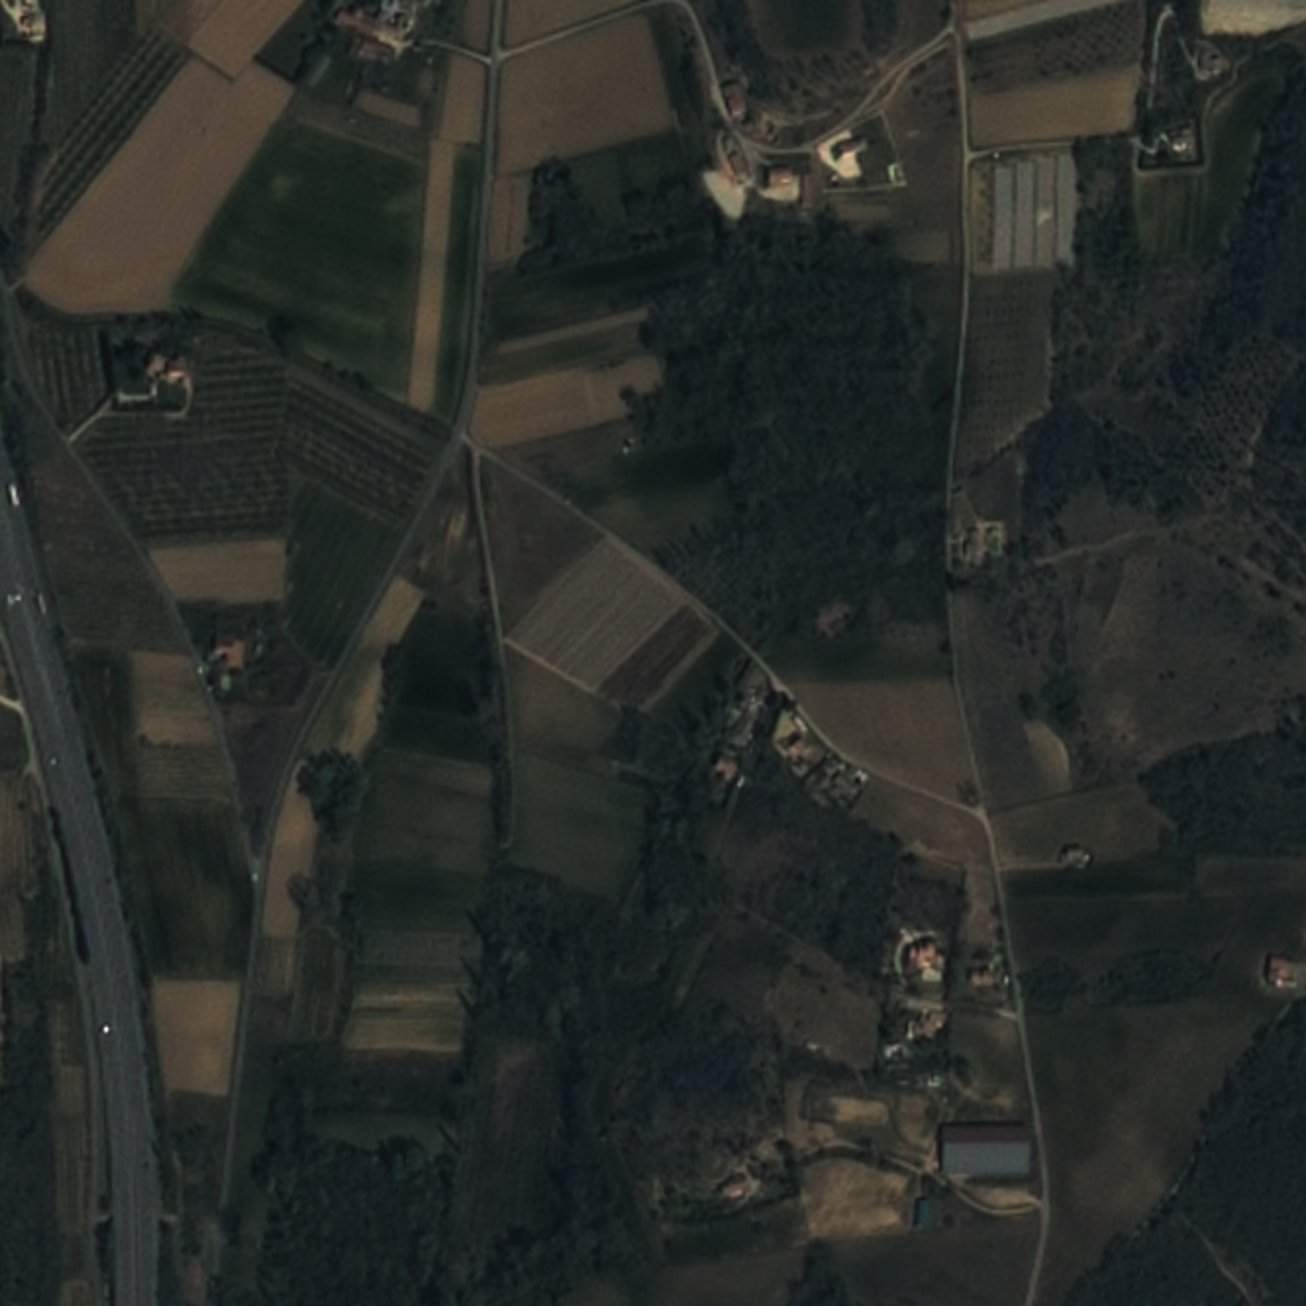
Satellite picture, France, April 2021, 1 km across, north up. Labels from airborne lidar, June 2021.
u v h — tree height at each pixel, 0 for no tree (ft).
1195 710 0
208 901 0
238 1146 0
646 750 89
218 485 31
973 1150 0
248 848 0
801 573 30
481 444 0
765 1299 0
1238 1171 25
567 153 0
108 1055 0
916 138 0
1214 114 0
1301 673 0
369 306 0
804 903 25
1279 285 40
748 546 90
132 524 20
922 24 0
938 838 0
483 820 0
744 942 0
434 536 0
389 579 0
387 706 32
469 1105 21
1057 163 0
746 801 0
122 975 0
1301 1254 26
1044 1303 0
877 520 80
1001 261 0
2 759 21
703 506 0
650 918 60
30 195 44
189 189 0
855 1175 0
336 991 0
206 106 0
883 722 0
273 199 0
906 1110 0
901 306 79
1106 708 0
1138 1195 0
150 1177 0
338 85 0
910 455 27
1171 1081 0
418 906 0
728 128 43
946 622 32
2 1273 46
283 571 0
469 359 0
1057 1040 0
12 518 0
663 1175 36
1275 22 0
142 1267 0
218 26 0
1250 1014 0
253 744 0
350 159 0
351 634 0
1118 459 33
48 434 0
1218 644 0
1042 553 19
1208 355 24
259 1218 0
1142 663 0
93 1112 0
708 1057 42
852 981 35
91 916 0
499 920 58
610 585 0
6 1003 43
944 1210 0
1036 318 0
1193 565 0
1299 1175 33
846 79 27
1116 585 0
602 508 0
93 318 0
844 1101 0
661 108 0
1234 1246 19
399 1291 45
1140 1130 0
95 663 0
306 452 30
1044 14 0
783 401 61
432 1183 57
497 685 61
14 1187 35
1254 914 0
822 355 62
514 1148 20
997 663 0
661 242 44
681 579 78
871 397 75
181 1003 0
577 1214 93
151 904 0
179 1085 0
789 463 55
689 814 59
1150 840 0
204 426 22
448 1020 0
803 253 24
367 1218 79
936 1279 0
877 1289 0
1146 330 20
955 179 0
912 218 0
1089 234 23
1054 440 33
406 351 0
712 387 54
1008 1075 0
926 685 0
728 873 0
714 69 0
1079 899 0
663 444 23
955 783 0
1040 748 0
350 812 68
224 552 0
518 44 0
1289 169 52
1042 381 0
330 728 0
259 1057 0
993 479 0
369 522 0
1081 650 0
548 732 0
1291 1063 52
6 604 0
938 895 40
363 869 0
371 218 0
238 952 0
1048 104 0
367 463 29
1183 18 40
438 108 0
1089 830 0
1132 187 22
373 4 35
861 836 38
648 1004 32
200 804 0
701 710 0
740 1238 0
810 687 0
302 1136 38
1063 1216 0
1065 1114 0
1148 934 0
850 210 0
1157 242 0
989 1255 0
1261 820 29
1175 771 45
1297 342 41
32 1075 44
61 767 0
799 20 0
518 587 0
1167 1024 0
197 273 0
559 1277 56
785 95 19
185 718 0
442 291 0
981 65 20
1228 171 0
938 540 49
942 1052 29
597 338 0
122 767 0
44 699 0
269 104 0
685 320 65
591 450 0
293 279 0
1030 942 0
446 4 35
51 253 0
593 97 0
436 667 0
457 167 0
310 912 92
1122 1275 26
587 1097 69
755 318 67
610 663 0
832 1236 0
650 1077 31
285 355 67
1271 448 24
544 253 17
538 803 0
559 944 50
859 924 27
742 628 89
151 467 31
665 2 0
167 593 0
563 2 0
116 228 0
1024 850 0
